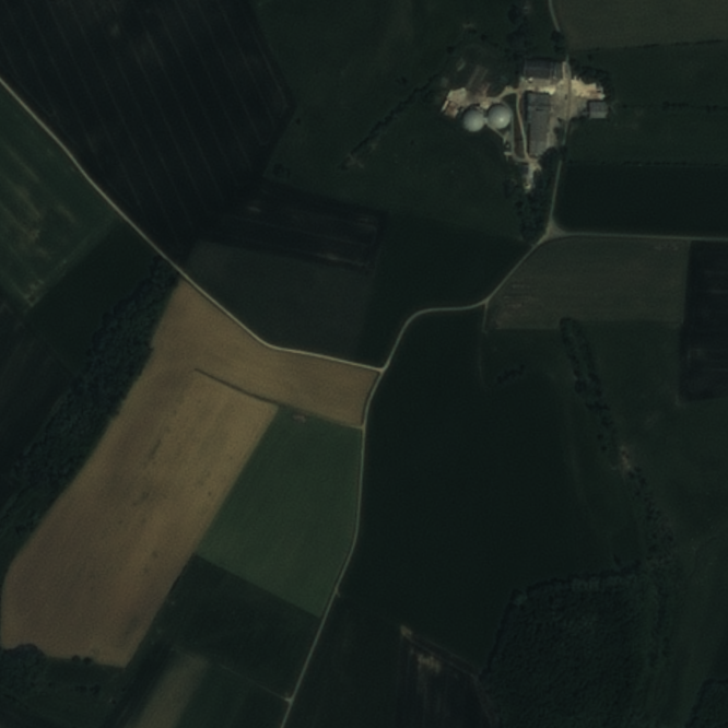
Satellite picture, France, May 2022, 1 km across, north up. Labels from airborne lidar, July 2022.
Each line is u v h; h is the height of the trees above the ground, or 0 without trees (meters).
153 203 0
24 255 0
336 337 0
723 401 0
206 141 0
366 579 0
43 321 0
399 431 0
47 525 0
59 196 0
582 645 18
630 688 18
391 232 0
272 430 0
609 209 0
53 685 7
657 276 0
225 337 0
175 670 0
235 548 0
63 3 0
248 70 0
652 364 0
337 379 0
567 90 0
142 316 28
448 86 0
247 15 0
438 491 0
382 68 0
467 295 0
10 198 0
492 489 0
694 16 0
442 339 0
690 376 0
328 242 0
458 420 0
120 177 0
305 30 0
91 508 0
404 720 0
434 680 0
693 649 0
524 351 0
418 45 0
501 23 0
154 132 0
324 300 0
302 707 0
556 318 0
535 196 16
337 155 0
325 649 0
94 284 0
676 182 0
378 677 0
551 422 0
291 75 0
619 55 0
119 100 0
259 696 0
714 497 0
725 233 0
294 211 0
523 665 16
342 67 0
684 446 0
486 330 0
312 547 0
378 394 0
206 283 0
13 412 0
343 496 0
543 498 0
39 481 34
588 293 0
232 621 0
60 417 10
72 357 0
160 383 0
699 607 0
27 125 0
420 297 0
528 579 0
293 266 0
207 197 0
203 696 0
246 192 0
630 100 0
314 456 0
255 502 0
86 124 0
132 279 0
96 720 0
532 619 16
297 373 0
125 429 0
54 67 0
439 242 0
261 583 0
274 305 0
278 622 0
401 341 0
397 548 0
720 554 0
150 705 0
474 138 0
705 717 14
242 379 0
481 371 0
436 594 0
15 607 0
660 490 0
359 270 0
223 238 0
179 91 0
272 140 0
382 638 0
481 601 0
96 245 0
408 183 0
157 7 0
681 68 0
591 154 0
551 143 0
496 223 0
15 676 26
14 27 0
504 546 0
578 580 19
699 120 0
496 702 15
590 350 5
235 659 0
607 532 0
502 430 0
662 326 0
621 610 17
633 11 0
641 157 0
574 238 0
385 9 0
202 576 0
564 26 0
